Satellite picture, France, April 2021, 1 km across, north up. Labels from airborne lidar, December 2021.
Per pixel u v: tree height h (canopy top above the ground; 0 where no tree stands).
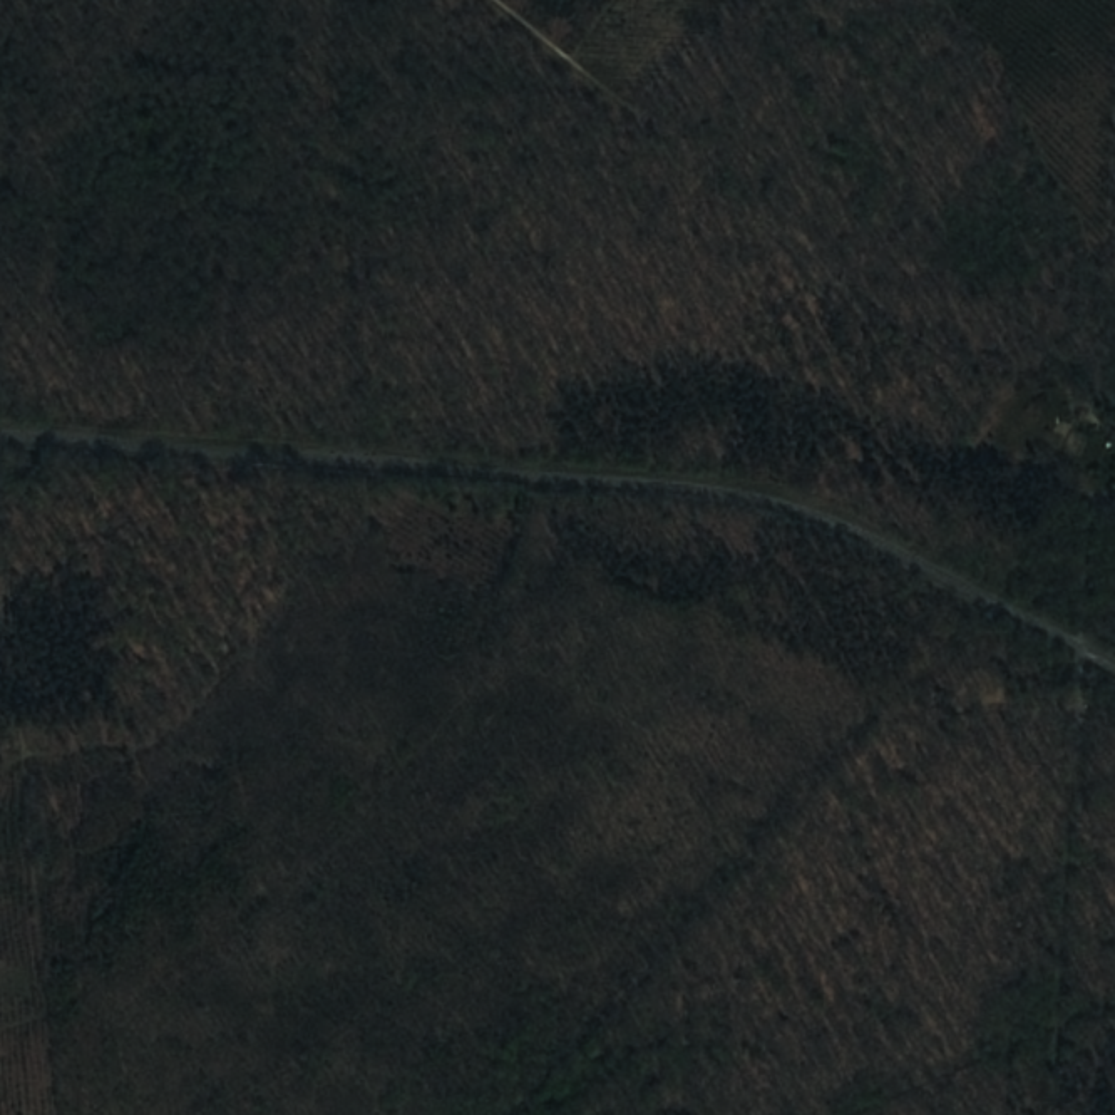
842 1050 30
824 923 26
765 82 31
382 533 18
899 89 32
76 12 32
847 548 23
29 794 16
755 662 17
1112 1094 26
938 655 30
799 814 30
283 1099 17
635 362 22
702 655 16
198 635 26
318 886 17
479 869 22
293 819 15
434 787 21
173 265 28
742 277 32
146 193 30
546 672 22
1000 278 26
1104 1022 24
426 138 29
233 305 30
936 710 25
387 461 0
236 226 29
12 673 19
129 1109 18
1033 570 20
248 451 0
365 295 30
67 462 24
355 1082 17
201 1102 13
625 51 0
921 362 28
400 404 26
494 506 17
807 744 18
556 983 22
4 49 31
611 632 20
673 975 33
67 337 30
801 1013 28
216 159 26
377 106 30
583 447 25
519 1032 22
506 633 22
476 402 31
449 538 6
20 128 31
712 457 25
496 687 20
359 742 16
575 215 31
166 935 14
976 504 24
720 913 31
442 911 16
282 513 29
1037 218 24
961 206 26
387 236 18
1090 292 24
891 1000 23
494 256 29
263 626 18
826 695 17
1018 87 6
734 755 19
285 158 33
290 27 31
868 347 30
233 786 16
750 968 35
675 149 31
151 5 29
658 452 18
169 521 33
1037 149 14
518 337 32
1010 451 0
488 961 21
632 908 22
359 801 15
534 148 31
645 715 21
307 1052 18
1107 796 24
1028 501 25
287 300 29
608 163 30
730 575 26
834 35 27
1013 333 28
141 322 28
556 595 16
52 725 28
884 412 26
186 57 32
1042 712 23
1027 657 21
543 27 6
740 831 19
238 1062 16
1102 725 25
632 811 22
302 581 33
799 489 20
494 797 22
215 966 13
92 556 29
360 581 17
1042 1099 0
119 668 28
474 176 29
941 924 26
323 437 28
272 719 15
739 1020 30
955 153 33
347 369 32
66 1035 14
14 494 30
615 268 24
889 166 32
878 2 34
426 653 16
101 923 10
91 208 27
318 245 31
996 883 29
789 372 24
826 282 33
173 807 14
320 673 19
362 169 29
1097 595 20
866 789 26
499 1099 24
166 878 15
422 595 10
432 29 27
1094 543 20
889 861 30
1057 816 31
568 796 22
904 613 23
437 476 18
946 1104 30
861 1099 23
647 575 21
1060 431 0
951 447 24
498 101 29
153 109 29
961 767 28
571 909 22
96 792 10
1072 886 30
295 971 16
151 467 23
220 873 10
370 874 17
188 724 9
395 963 18
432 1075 19
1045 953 31
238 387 30
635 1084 36
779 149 31
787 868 27
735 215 29
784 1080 29
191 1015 17
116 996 16
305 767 15
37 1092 0
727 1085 35
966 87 33
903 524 25
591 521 20
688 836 24
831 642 22
